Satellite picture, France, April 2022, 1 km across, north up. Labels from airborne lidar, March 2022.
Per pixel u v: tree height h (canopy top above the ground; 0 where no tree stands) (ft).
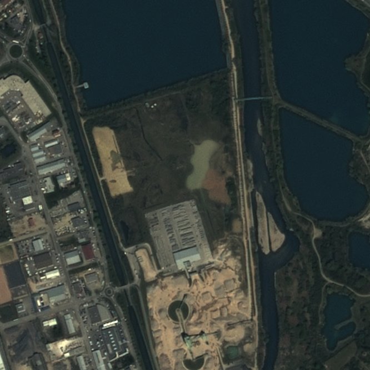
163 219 0
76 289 0
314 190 0
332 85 0
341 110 0
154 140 0
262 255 0
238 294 0
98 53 0
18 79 0
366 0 0
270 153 34
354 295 31
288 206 0
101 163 22
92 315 0
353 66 0
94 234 0
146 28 0
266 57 0
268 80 0
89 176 0
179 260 0
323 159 0
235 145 0
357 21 0
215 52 0
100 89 0
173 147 0
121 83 0
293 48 0
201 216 0
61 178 0
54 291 0
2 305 0
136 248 0
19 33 0
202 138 0
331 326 0
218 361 0
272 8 0
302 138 0
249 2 0
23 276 0
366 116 0
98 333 0
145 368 0
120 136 0
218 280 0
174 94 0
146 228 0
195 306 0
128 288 0
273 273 0
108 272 0
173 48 0
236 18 0
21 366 0
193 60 0
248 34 0
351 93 0
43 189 0
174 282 0
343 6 0
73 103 45
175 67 0
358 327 0
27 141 0
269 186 0
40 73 0
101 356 0
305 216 31
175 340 0
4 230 0
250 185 0
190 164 0
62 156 0
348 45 0
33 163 0
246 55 0
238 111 0
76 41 0
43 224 0
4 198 0
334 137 0
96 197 0
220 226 0
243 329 0
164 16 0
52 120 0
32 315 0
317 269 28
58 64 0
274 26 0
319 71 0
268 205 0
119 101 23
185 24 0
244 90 0
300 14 0
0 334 0
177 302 0
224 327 0
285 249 0
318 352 23
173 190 0
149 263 0
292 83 0
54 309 0
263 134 0
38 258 0
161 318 0
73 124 0
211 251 0
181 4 0
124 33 0
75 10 0
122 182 0
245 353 0
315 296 20
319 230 0
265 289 0
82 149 0
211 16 0
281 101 0
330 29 0
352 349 0
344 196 0
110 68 0
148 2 0
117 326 0
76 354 0
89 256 0
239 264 0
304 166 0
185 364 0
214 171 0
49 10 24
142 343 0
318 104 0
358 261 0
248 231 0
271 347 0
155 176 0
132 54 0
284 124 0
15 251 0
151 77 0
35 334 0
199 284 0
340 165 0
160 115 0
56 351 0
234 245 0
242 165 0
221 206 0
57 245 0
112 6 0
